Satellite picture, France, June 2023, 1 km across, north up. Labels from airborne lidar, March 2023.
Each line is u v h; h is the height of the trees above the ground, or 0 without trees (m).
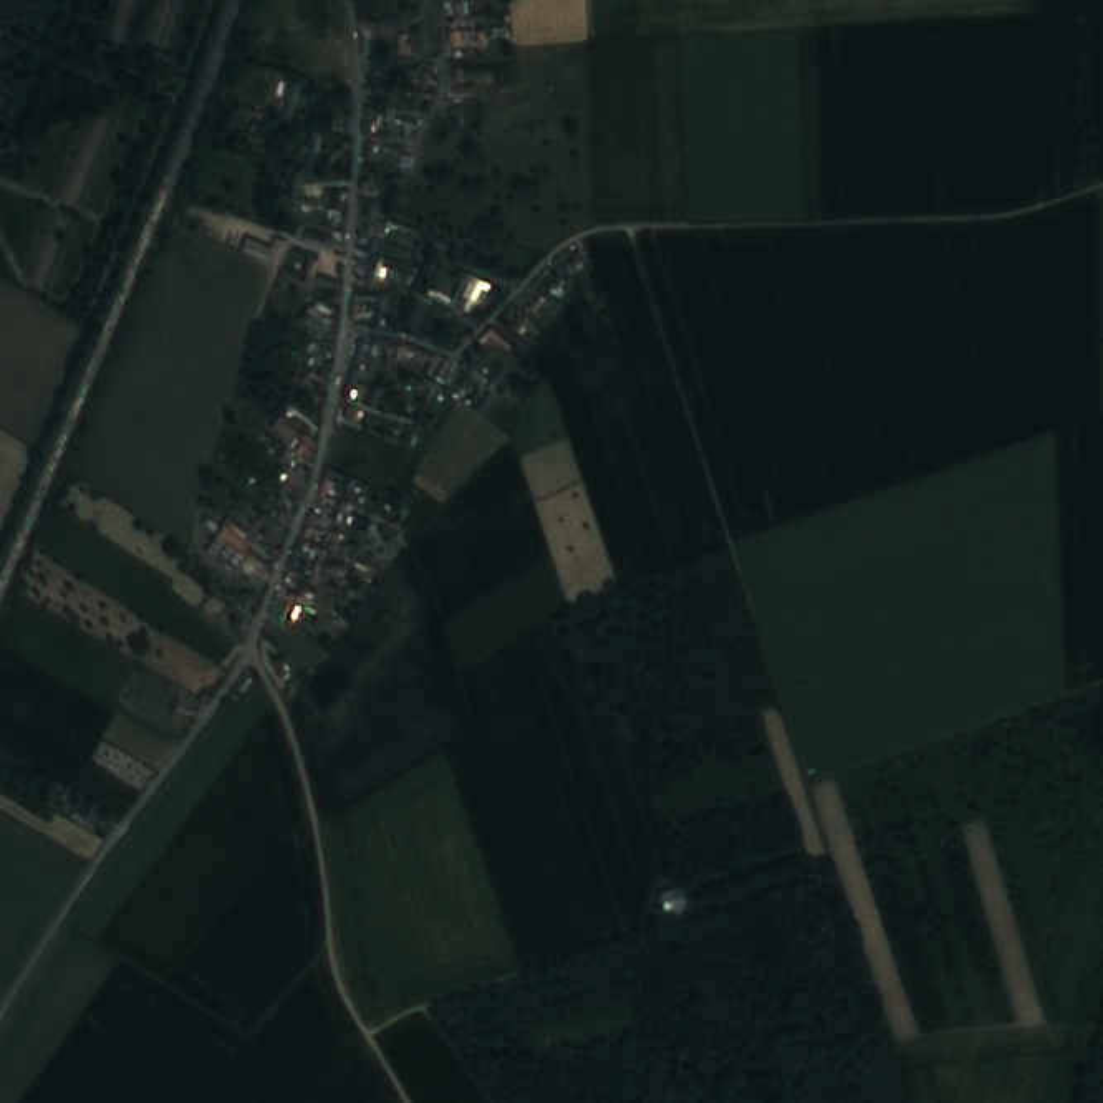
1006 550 0
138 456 0
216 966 0
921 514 0
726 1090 24
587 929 0
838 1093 22
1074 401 0
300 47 0
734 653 12
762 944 24
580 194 0
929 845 0
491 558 0
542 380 12
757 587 0
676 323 0
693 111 0
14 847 0
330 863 0
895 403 0
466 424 0
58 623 0
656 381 0
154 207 0
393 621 0
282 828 0
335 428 0
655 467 0
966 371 0
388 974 0
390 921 0
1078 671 0
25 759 0
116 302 0
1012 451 0
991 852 0
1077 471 0
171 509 0
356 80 0
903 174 0
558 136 0
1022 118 0
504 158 0
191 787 0
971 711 0
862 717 0
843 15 0
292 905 0
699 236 0
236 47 20
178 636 0
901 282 0
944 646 0
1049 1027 0
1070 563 0
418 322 0
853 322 0
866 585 0
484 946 0
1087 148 9
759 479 0
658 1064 17
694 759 6
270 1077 0
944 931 8
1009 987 0
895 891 6
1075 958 0
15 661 0
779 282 0
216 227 0
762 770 0
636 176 0
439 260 6
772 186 0
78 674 0
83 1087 0
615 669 18
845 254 0
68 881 0
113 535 0
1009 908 0
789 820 14
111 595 0
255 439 0
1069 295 0
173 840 0
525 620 0
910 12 0
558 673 0
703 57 0
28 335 0
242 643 0
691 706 17
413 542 0
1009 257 0
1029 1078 0
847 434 0
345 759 0
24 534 0
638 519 0
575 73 0
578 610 12
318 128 14
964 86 0
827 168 0
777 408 0
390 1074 0
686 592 19
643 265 0
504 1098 11
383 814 0
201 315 0
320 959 0
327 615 0
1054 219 0
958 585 0
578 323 0
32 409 0
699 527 0
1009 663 0
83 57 10
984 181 0
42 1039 0
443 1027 6
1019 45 0
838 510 0
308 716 0
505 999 14
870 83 0
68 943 0
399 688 0
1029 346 0
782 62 0
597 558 0
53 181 0
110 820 9
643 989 8
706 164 0
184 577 0
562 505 0
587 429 0
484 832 0
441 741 0
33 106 19
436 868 0
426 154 0
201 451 0
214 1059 0
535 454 0
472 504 0
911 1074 0
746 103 0
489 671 0
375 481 0
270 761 0
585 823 0
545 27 0
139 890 0
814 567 0
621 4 0
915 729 0
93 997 0
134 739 0
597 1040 8
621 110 0
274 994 0
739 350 0
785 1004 20
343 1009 0
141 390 0
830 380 0
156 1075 0
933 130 0
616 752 0
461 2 0
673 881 13
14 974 0
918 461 0
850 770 0
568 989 13
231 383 0
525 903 0
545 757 0
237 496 6
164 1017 0
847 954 19
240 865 0
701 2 0
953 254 0
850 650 0
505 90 0
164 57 6
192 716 0
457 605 0
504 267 7
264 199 20
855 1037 18
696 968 22
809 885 9
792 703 0
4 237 0
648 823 0
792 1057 20
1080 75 18
